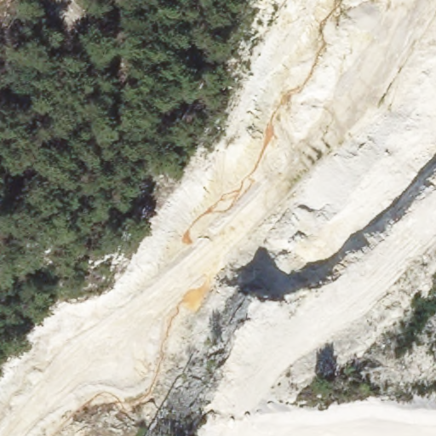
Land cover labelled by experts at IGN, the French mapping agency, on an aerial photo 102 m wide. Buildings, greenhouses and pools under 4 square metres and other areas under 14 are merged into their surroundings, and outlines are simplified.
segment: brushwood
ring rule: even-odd
[[[416,293],[410,301],[414,313],[410,320],[400,320],[399,334],[390,330],[385,332],[392,341],[397,342],[395,358],[412,353],[412,347],[421,344],[419,336],[422,327],[429,318],[436,315],[436,298],[424,298],[421,293]]]
[[[376,397],[380,393],[378,385],[371,383],[370,380],[371,368],[380,366],[376,361],[358,358],[351,359],[346,364],[336,363],[334,375],[318,373],[313,376],[313,380],[307,387],[303,387],[296,395],[296,399],[307,400],[307,404],[313,409],[325,410],[332,404],[346,404]]]
[[[208,419],[204,412],[191,412],[187,416],[179,416],[170,421],[172,436],[198,436],[199,427],[204,426]]]

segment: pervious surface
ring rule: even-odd
[[[82,17],[82,7],[78,5],[78,0],[70,0],[70,5],[63,15],[66,24],[73,24]]]
[[[387,356],[388,359],[395,358],[397,342],[392,341],[385,332],[390,330],[399,334],[400,320],[410,320],[414,313],[410,301],[416,293],[421,293],[424,298],[436,298],[436,0],[247,0],[252,7],[259,10],[252,20],[249,41],[240,41],[238,53],[228,60],[228,73],[232,75],[233,82],[228,89],[230,102],[227,107],[227,131],[221,136],[220,143],[215,145],[213,152],[209,152],[204,146],[198,146],[187,163],[184,174],[181,170],[175,169],[153,179],[153,198],[157,201],[157,213],[150,220],[152,232],[141,240],[136,254],[133,254],[131,259],[124,257],[123,254],[104,254],[100,255],[99,259],[89,259],[89,274],[85,278],[85,284],[78,290],[68,290],[65,284],[58,281],[58,303],[51,308],[51,315],[44,318],[43,325],[36,325],[27,334],[31,349],[17,358],[7,359],[7,363],[3,364],[3,375],[0,376],[0,436],[172,436],[170,421],[179,416],[187,416],[191,412],[204,412],[208,419],[204,426],[199,427],[198,436],[436,436],[436,392],[419,395],[412,388],[412,381],[399,385],[385,381],[378,385],[380,393],[376,397],[346,404],[332,404],[325,410],[313,409],[307,404],[307,400],[296,399],[296,395],[303,387],[307,387],[313,380],[313,376],[318,373],[334,375],[336,363],[346,364],[351,359],[358,358],[376,361],[380,354]]]

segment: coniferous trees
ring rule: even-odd
[[[153,198],[153,179],[175,169],[181,170],[184,174],[187,163],[198,146],[204,146],[209,152],[213,152],[215,145],[220,143],[221,136],[227,131],[227,107],[230,102],[228,89],[233,82],[232,75],[228,73],[228,60],[238,53],[240,41],[249,41],[252,20],[259,10],[252,7],[247,0],[78,0],[78,5],[82,7],[82,17],[73,24],[66,24],[63,15],[70,5],[70,0],[0,0],[0,376],[3,375],[3,364],[7,363],[7,359],[17,358],[31,349],[27,334],[36,325],[43,325],[44,318],[51,315],[51,308],[58,303],[58,281],[65,284],[68,290],[78,290],[85,284],[85,278],[89,274],[89,259],[99,259],[100,255],[104,254],[123,254],[124,257],[131,259],[133,254],[136,254],[141,240],[152,232],[150,220],[157,213],[157,201]]]

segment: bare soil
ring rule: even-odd
[[[419,336],[421,344],[412,347],[412,353],[395,358],[388,359],[387,356],[380,354],[376,361],[380,366],[371,368],[370,380],[371,383],[378,385],[385,381],[399,385],[412,381],[412,388],[419,395],[436,392],[436,315],[429,318],[422,327]]]

